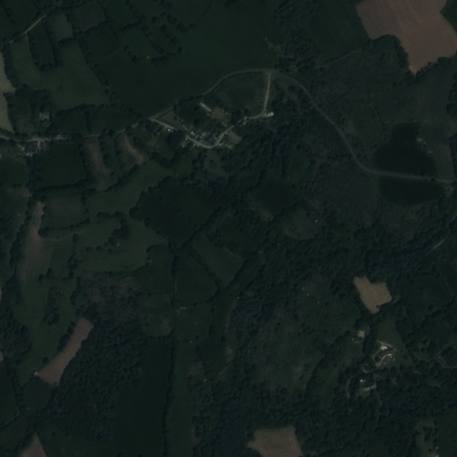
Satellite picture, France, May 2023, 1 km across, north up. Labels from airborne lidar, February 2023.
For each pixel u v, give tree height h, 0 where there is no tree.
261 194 0
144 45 0
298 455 0
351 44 0
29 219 11
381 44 7
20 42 13
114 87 0
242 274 14
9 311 15
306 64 7
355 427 16
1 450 10
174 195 0
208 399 8
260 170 0
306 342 0
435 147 0
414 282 9
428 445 0
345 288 10
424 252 21
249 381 14
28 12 0
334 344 6
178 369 0
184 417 0
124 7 0
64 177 0
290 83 0
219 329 0
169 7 11
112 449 0
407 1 0
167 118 0
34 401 0
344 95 7
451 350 14
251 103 0
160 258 0
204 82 0
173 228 0
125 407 0
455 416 0
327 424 10
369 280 13
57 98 0
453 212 8
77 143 18
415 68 0
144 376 0
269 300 16
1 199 0
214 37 0
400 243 6
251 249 0
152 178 0
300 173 0
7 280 0
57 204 0
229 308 0
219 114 0
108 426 13
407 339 10
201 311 0
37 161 17
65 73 0
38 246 0
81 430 13
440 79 0
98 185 0
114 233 8
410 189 0
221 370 0
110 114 0
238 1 13
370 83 0
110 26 10
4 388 0
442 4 0
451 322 17
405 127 0
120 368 17
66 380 14
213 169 0
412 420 16
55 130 10
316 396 7
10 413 0
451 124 0
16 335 24
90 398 7
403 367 9
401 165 0
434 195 0
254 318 10
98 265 0
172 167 14
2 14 0
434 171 0
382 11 0
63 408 12
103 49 0
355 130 0
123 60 0
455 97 10
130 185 0
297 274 16
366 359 12
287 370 0
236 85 0
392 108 0
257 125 9
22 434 0
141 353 18
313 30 0
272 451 0
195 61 0
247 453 14
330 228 6
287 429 0
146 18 16
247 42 0
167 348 0
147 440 0
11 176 0
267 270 9
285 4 8
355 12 0
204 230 14
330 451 6
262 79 0
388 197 0
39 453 0
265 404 17
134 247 0
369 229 7
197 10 0
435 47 0
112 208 0
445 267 0
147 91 0
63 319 0
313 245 23
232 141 0
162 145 0
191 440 0
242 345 6
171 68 0
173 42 12
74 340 0
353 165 6
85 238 0
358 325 13
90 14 0
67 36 0
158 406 0
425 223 10
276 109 12
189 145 7
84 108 18
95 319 9
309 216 8
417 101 0
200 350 9
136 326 10
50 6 8
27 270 0
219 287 11
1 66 0
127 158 0
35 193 10
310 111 7
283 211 11
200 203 0
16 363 6
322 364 16
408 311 14
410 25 0
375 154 0
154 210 0
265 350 7
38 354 0
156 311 0
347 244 0
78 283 17
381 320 8
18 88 14
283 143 23
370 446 0
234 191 17
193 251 15
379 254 15
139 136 0
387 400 14
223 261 0
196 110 13
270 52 0
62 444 0
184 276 0
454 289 0
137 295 9
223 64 0
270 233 21
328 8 0
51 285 0
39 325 0
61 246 0
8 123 0
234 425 22
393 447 15
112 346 7
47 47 0
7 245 0
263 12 0
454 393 7
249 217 20
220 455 25
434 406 7
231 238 0
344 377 9
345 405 6
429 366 9
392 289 18
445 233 16
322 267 23
